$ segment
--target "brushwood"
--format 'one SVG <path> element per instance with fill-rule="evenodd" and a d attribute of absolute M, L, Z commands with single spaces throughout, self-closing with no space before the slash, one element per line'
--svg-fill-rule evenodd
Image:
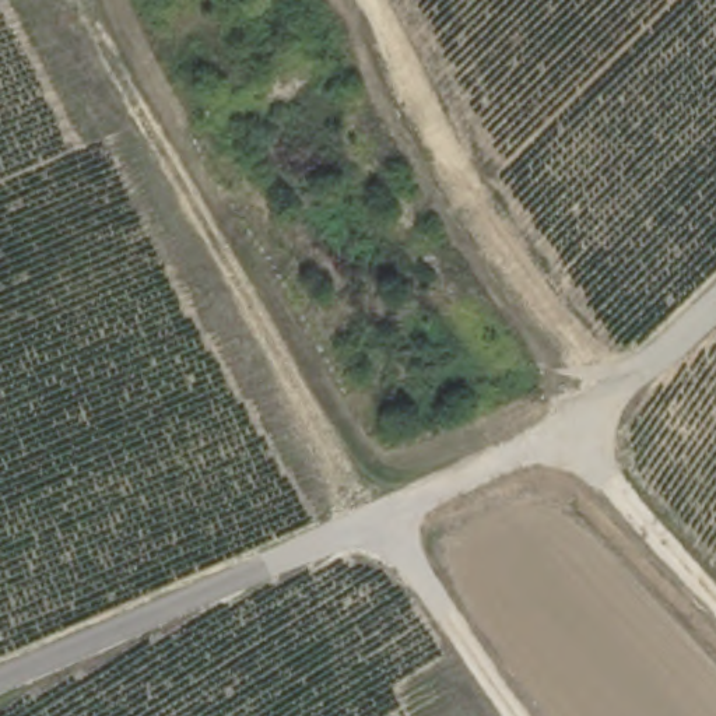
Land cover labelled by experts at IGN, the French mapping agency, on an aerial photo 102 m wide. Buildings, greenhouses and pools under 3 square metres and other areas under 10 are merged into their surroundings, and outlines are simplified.
<path fill-rule="evenodd" d="M 492 305 L 470 260 L 450 246 L 439 213 L 417 213 L 411 229 L 397 224 L 400 201 L 417 201 L 420 185 L 414 179 L 408 159 L 397 151 L 394 140 L 389 137 L 383 117 L 375 112 L 355 53 L 350 48 L 350 31 L 327 0 L 131 0 L 145 42 L 154 50 L 176 98 L 187 112 L 193 137 L 210 140 L 210 145 L 218 154 L 229 154 L 238 162 L 238 173 L 243 171 L 249 182 L 263 190 L 271 210 L 271 221 L 282 229 L 308 227 L 310 241 L 319 249 L 324 249 L 344 274 L 344 288 L 333 294 L 330 282 L 313 299 L 322 308 L 333 299 L 344 299 L 352 308 L 347 324 L 333 333 L 333 355 L 350 378 L 350 386 L 366 389 L 375 400 L 372 431 L 383 445 L 403 445 L 425 431 L 456 428 L 512 400 L 534 400 L 540 397 L 540 372 L 520 330 L 509 322 L 509 316 L 501 308 Z"/>

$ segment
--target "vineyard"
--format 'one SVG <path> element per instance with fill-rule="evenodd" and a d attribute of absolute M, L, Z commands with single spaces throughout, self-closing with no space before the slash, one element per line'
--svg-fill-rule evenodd
<path fill-rule="evenodd" d="M 624 481 L 635 489 L 635 495 L 646 503 L 646 509 L 716 582 L 716 327 L 699 336 L 696 347 L 680 361 L 671 383 L 657 389 L 646 383 L 624 406 L 621 420 L 615 425 L 618 470 Z"/>
<path fill-rule="evenodd" d="M 20 53 L 17 39 L 8 31 L 0 11 L 0 657 L 39 638 L 48 638 L 50 632 L 59 632 L 70 624 L 120 607 L 173 579 L 190 576 L 193 571 L 238 557 L 249 548 L 266 545 L 274 537 L 294 534 L 308 523 L 308 515 L 296 501 L 291 484 L 277 473 L 277 464 L 266 456 L 266 442 L 255 434 L 246 408 L 229 394 L 215 358 L 204 350 L 193 322 L 182 313 L 179 299 L 157 260 L 157 249 L 148 238 L 140 243 L 126 243 L 129 232 L 140 224 L 140 218 L 131 210 L 120 176 L 103 157 L 103 143 L 92 143 L 81 151 L 73 151 L 62 140 L 56 115 L 42 98 L 39 81 L 28 59 Z"/>
<path fill-rule="evenodd" d="M 428 87 L 436 95 L 436 103 L 445 115 L 445 126 L 450 129 L 453 140 L 470 151 L 470 162 L 481 176 L 481 185 L 492 199 L 495 213 L 509 224 L 512 235 L 523 241 L 531 263 L 543 271 L 554 299 L 565 305 L 565 310 L 590 333 L 593 341 L 613 338 L 615 344 L 627 347 L 646 341 L 657 324 L 663 324 L 716 271 L 716 0 L 386 0 L 392 6 L 394 20 L 403 28 L 408 48 L 420 62 Z"/>
<path fill-rule="evenodd" d="M 56 671 L 39 682 L 0 694 L 0 716 L 501 716 L 475 682 L 475 677 L 470 674 L 470 668 L 464 666 L 464 660 L 459 657 L 456 646 L 439 627 L 439 621 L 420 596 L 414 596 L 397 582 L 397 573 L 392 568 L 383 571 L 369 559 L 352 565 L 336 559 L 313 571 L 299 568 L 294 573 L 285 573 L 274 585 L 255 587 L 232 604 L 218 604 L 196 618 L 176 618 L 165 627 L 154 627 L 120 652 L 73 663 L 64 671 Z"/>

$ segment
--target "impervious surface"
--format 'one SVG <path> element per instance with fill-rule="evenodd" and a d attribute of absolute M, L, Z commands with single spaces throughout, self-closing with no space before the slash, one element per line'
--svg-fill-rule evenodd
<path fill-rule="evenodd" d="M 173 579 L 120 607 L 70 624 L 59 632 L 50 632 L 48 638 L 39 638 L 0 657 L 0 694 L 39 682 L 56 671 L 64 671 L 73 663 L 120 652 L 154 627 L 165 627 L 176 618 L 196 618 L 218 604 L 232 604 L 255 587 L 274 585 L 285 573 L 294 573 L 299 568 L 313 571 L 336 559 L 352 565 L 369 559 L 383 571 L 392 568 L 397 573 L 397 582 L 414 596 L 420 596 L 439 621 L 456 610 L 453 601 L 434 576 L 420 537 L 425 515 L 436 509 L 442 501 L 467 492 L 501 473 L 529 464 L 571 470 L 601 492 L 618 470 L 615 425 L 621 420 L 624 406 L 646 383 L 657 389 L 671 383 L 680 361 L 696 347 L 699 336 L 716 327 L 716 271 L 663 324 L 657 324 L 646 341 L 627 347 L 627 358 L 618 364 L 618 375 L 601 375 L 599 366 L 576 366 L 568 375 L 579 378 L 579 389 L 565 389 L 554 394 L 548 400 L 548 417 L 540 425 L 498 448 L 470 456 L 456 467 L 420 478 L 386 498 L 375 498 L 372 489 L 361 484 L 336 428 L 310 394 L 277 324 L 263 308 L 255 285 L 238 263 L 229 241 L 218 229 L 210 207 L 199 196 L 173 143 L 165 137 L 148 103 L 131 84 L 131 76 L 120 64 L 115 39 L 106 34 L 103 22 L 92 20 L 90 14 L 78 17 L 81 28 L 95 42 L 95 64 L 101 67 L 103 78 L 115 87 L 123 109 L 129 112 L 140 137 L 145 140 L 151 159 L 168 179 L 179 201 L 179 210 L 185 213 L 187 224 L 201 238 L 204 252 L 221 271 L 241 310 L 241 319 L 257 338 L 274 372 L 274 380 L 288 400 L 296 434 L 308 436 L 308 456 L 313 459 L 313 467 L 322 473 L 330 498 L 330 520 L 313 526 L 308 523 L 294 534 L 274 537 L 266 545 L 249 548 L 238 557 L 193 571 L 190 576 Z"/>

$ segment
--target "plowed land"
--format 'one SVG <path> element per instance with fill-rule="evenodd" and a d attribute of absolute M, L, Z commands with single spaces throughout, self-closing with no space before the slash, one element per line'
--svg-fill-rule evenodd
<path fill-rule="evenodd" d="M 601 540 L 596 540 L 568 512 L 545 501 L 512 506 L 503 498 L 492 506 L 492 515 L 487 520 L 473 520 L 464 531 L 442 537 L 445 565 L 461 593 L 461 599 L 453 601 L 456 610 L 467 621 L 473 638 L 481 643 L 492 666 L 498 668 L 506 688 L 523 705 L 520 716 L 716 716 L 716 663 L 629 576 L 627 568 L 621 568 L 621 562 L 601 545 Z"/>

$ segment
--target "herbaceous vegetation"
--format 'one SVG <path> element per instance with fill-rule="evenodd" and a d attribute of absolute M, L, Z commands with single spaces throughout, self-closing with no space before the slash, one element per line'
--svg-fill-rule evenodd
<path fill-rule="evenodd" d="M 42 98 L 56 115 L 62 140 L 73 151 L 81 151 L 92 143 L 103 143 L 103 157 L 120 176 L 131 210 L 140 218 L 140 224 L 129 232 L 126 243 L 140 243 L 148 238 L 157 249 L 157 260 L 179 299 L 182 313 L 193 322 L 204 350 L 215 358 L 229 394 L 246 408 L 255 434 L 266 442 L 266 456 L 277 464 L 277 473 L 291 484 L 296 501 L 308 515 L 308 523 L 313 526 L 330 520 L 330 498 L 322 473 L 313 467 L 313 459 L 308 456 L 308 436 L 296 434 L 288 400 L 274 380 L 274 372 L 257 338 L 241 319 L 241 310 L 221 271 L 204 252 L 201 238 L 187 224 L 185 213 L 179 210 L 179 201 L 168 179 L 151 159 L 145 140 L 140 137 L 129 112 L 123 109 L 115 87 L 103 78 L 101 67 L 95 64 L 95 42 L 81 28 L 78 17 L 90 14 L 92 20 L 103 22 L 106 34 L 115 39 L 120 64 L 131 76 L 131 84 L 148 103 L 165 137 L 173 143 L 199 196 L 210 207 L 218 229 L 229 241 L 238 263 L 255 285 L 263 308 L 277 324 L 310 394 L 336 428 L 361 484 L 372 489 L 375 498 L 386 498 L 420 478 L 456 467 L 470 456 L 498 448 L 540 425 L 548 417 L 548 400 L 554 394 L 565 389 L 579 389 L 579 378 L 568 375 L 562 375 L 565 361 L 559 338 L 531 319 L 520 294 L 506 282 L 503 271 L 484 257 L 478 238 L 470 232 L 464 210 L 450 201 L 448 185 L 439 179 L 431 148 L 425 145 L 414 117 L 406 112 L 406 103 L 397 98 L 392 87 L 389 67 L 378 50 L 375 31 L 358 0 L 327 0 L 350 31 L 350 48 L 355 53 L 375 112 L 383 117 L 389 137 L 394 140 L 397 151 L 408 159 L 414 179 L 420 185 L 417 201 L 400 201 L 397 224 L 411 229 L 417 213 L 439 213 L 450 246 L 470 260 L 492 305 L 501 308 L 509 316 L 509 322 L 520 330 L 540 372 L 540 397 L 534 400 L 512 400 L 456 428 L 425 431 L 403 445 L 383 445 L 372 431 L 375 400 L 366 389 L 350 386 L 350 378 L 333 355 L 333 333 L 347 324 L 352 308 L 344 299 L 333 299 L 322 308 L 313 299 L 330 282 L 333 294 L 344 288 L 344 274 L 324 249 L 319 249 L 310 241 L 308 227 L 282 229 L 271 221 L 271 210 L 263 190 L 249 182 L 243 171 L 238 173 L 238 162 L 229 154 L 218 154 L 210 145 L 210 140 L 193 137 L 187 112 L 176 98 L 154 50 L 145 42 L 131 0 L 0 0 L 0 11 L 8 31 L 17 39 L 20 53 L 28 59 L 39 81 Z"/>
<path fill-rule="evenodd" d="M 545 501 L 568 512 L 596 540 L 601 540 L 601 545 L 621 562 L 621 568 L 627 568 L 629 576 L 716 663 L 716 615 L 652 551 L 646 534 L 640 534 L 601 492 L 571 470 L 529 464 L 501 473 L 467 492 L 442 501 L 436 509 L 425 515 L 420 537 L 434 576 L 453 601 L 461 599 L 461 593 L 445 565 L 442 537 L 464 531 L 473 520 L 487 520 L 492 515 L 492 506 L 503 498 L 512 506 Z"/>

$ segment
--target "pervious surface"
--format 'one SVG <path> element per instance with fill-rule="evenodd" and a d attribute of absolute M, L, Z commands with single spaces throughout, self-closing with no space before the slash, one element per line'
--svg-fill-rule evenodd
<path fill-rule="evenodd" d="M 646 503 L 635 495 L 635 489 L 624 481 L 618 470 L 601 492 L 640 534 L 646 534 L 652 551 L 716 615 L 716 582 L 646 509 Z"/>
<path fill-rule="evenodd" d="M 459 657 L 464 660 L 464 666 L 470 668 L 470 674 L 475 677 L 475 682 L 501 716 L 520 716 L 523 705 L 506 688 L 498 668 L 492 666 L 481 643 L 473 638 L 467 621 L 456 610 L 439 621 L 439 627 L 456 646 Z"/>
<path fill-rule="evenodd" d="M 414 117 L 425 145 L 431 148 L 439 179 L 448 185 L 450 201 L 464 210 L 470 232 L 478 238 L 484 257 L 503 271 L 506 282 L 520 294 L 531 319 L 559 338 L 565 361 L 562 375 L 568 375 L 576 366 L 599 366 L 601 375 L 618 375 L 618 364 L 627 358 L 627 347 L 615 344 L 613 338 L 593 341 L 590 333 L 565 310 L 565 305 L 554 299 L 543 271 L 531 263 L 523 241 L 512 235 L 509 224 L 495 213 L 492 199 L 481 185 L 481 176 L 470 162 L 470 151 L 453 140 L 450 129 L 445 126 L 445 115 L 436 103 L 436 95 L 428 87 L 420 62 L 408 48 L 403 28 L 394 20 L 392 6 L 386 0 L 358 0 L 375 31 L 378 50 L 389 67 L 392 87 L 397 98 L 406 103 L 406 112 Z"/>

